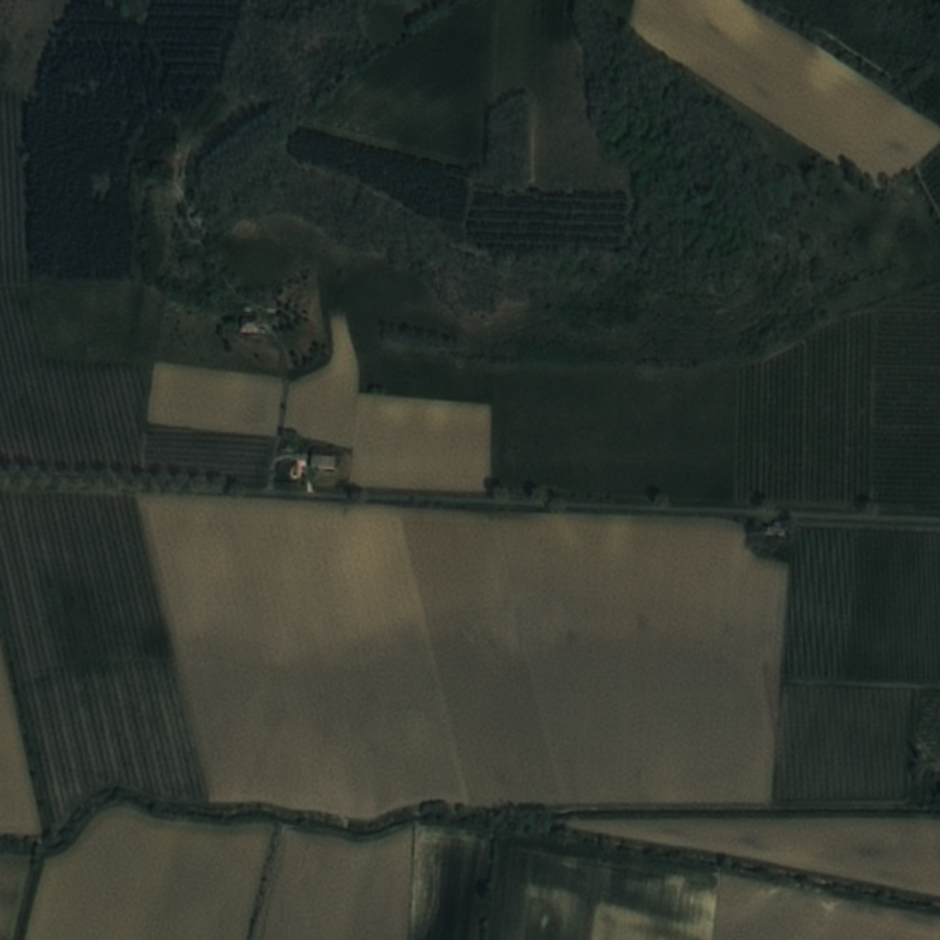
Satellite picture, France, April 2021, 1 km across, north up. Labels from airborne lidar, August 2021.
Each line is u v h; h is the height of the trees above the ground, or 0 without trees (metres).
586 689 0
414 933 0
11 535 8
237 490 23
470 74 0
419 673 0
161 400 0
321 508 0
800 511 0
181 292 15
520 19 0
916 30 8
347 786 0
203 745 0
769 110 0
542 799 0
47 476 22
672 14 0
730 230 19
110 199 10
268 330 9
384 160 8
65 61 11
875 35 6
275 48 9
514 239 10
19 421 8
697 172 25
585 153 0
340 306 0
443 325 0
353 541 0
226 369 0
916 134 0
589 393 0
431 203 9
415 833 0
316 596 0
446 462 0
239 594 0
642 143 22
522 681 0
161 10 11
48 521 7
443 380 0
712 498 0
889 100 0
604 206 8
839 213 0
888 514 0
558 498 19
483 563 0
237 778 0
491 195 7
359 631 0
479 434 0
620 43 19
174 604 0
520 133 16
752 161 24
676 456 0
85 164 10
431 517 0
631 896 0
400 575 0
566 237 12
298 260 0
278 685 0
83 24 12
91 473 20
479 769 0
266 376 0
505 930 0
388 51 12
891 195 24
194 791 7
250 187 11
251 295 16
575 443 0
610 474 0
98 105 6
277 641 0
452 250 11
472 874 0
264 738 0
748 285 0
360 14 13
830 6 7
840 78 0
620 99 25
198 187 6
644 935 0
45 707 7
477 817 7
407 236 19
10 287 7
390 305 0
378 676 0
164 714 7
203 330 0
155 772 7
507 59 0
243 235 0
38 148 11
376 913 0
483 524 0
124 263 10
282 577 0
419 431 0
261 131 19
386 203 10
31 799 0
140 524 8
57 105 9
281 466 0
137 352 0
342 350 0
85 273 10
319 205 17
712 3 0
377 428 0
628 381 0
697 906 0
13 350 9
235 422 0
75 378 8
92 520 7
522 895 0
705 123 22
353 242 19
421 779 0
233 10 12
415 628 0
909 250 0
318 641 0
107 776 8
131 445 10
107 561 7
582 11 18
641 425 0
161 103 10
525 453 0
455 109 0
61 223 14
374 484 0
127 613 7
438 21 11
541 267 19
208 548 0
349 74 9
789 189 20
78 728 8
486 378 0
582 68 11
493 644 0
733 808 0
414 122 0
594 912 0
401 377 0
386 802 0
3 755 0
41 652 8
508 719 0
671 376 0
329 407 0
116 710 7
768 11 21
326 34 9
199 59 11
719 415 0
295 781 0
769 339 19
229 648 0
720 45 0
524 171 17
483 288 18
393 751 0
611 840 12
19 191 8
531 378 0
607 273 17
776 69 0
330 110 0
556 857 0
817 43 18
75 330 0
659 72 28
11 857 0
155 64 10
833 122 0
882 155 0
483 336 0
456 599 0
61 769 8
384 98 0
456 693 0
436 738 0
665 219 17
